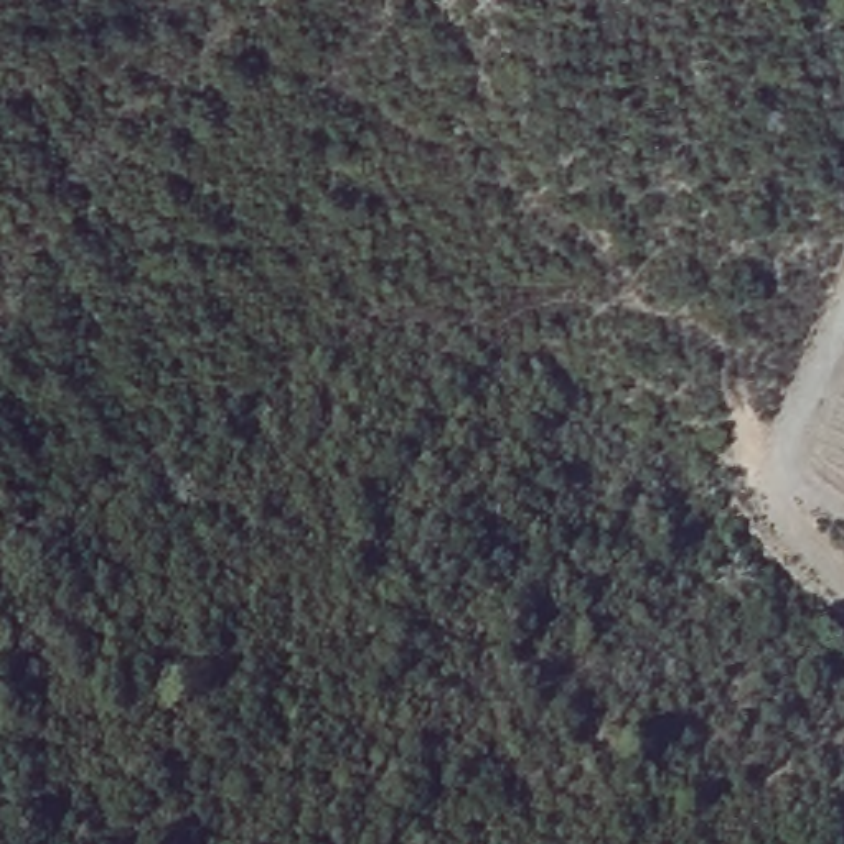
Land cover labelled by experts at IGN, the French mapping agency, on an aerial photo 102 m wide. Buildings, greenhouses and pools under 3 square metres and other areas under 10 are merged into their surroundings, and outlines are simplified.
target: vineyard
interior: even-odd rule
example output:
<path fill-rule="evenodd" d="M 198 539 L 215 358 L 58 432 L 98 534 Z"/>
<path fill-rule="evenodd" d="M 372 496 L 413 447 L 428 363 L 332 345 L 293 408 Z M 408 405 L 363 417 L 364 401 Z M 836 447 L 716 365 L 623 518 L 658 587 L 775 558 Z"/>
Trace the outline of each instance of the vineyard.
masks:
<path fill-rule="evenodd" d="M 732 488 L 732 508 L 742 518 L 748 518 L 748 531 L 762 541 L 762 551 L 775 557 L 791 574 L 791 580 L 801 584 L 804 593 L 818 593 L 831 603 L 844 600 L 844 257 L 837 264 L 837 284 L 828 290 L 824 317 L 814 323 L 814 336 L 785 392 L 778 419 L 762 422 L 755 415 L 748 382 L 739 379 L 739 386 L 725 392 L 725 406 L 735 422 L 735 442 L 722 455 L 722 465 L 745 468 L 745 475 Z"/>

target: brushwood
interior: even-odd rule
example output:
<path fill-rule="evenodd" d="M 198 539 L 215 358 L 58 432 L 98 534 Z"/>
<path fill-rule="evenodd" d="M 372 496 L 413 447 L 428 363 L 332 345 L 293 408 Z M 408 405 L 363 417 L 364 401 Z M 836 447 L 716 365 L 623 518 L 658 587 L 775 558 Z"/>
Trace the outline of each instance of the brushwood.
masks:
<path fill-rule="evenodd" d="M 33 811 L 30 821 L 36 828 L 59 831 L 63 814 L 69 814 L 82 821 L 76 828 L 76 837 L 89 837 L 89 831 L 99 831 L 102 824 L 122 828 L 132 837 L 138 837 L 138 828 L 145 828 L 162 844 L 844 844 L 844 600 L 831 603 L 818 593 L 804 593 L 801 584 L 791 580 L 791 574 L 775 557 L 762 551 L 762 541 L 748 531 L 748 518 L 742 518 L 732 508 L 732 488 L 745 475 L 745 468 L 722 465 L 722 455 L 735 442 L 735 422 L 725 406 L 725 392 L 739 386 L 739 379 L 748 382 L 755 415 L 762 422 L 778 419 L 785 392 L 814 336 L 814 323 L 824 317 L 828 290 L 837 284 L 837 264 L 844 257 L 844 0 L 0 0 L 0 679 L 7 676 L 10 686 L 7 709 L 36 719 L 33 732 L 16 745 L 20 755 L 26 755 L 30 762 L 23 801 L 23 808 Z"/>

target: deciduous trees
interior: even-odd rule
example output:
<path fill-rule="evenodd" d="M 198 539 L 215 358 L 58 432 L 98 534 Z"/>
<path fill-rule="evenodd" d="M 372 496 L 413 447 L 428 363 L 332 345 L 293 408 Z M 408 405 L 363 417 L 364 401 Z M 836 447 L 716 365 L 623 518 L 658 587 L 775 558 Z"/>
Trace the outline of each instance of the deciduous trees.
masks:
<path fill-rule="evenodd" d="M 138 828 L 138 837 L 132 837 L 122 828 L 102 824 L 99 831 L 89 831 L 89 837 L 76 837 L 76 828 L 82 821 L 69 814 L 63 814 L 59 831 L 36 828 L 30 821 L 33 811 L 23 808 L 23 801 L 30 762 L 26 755 L 20 755 L 16 745 L 33 732 L 36 719 L 7 709 L 10 686 L 7 676 L 0 679 L 0 844 L 162 844 L 145 828 Z"/>

